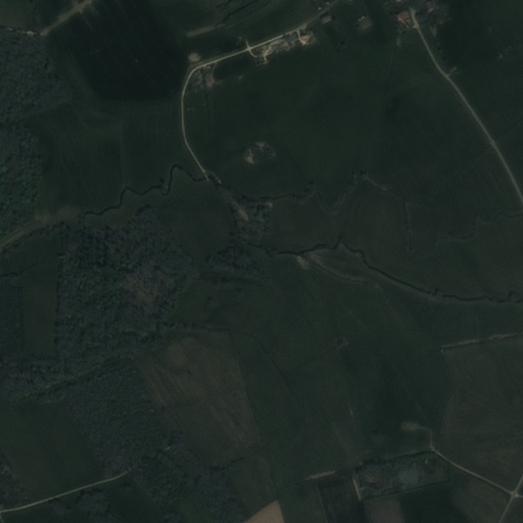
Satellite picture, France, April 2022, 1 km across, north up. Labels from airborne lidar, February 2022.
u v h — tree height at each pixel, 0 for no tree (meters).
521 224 0
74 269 19
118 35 0
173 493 10
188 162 0
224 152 0
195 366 0
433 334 0
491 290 0
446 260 0
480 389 0
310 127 0
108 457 16
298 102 0
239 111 0
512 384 0
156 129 0
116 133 0
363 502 0
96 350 9
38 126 0
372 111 0
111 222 0
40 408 0
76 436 0
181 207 0
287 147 0
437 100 0
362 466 0
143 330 28
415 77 0
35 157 19
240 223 19
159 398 0
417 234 0
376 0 0
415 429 0
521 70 0
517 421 0
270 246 0
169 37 0
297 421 0
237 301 0
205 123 0
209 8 0
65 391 11
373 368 0
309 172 0
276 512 0
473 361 0
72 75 0
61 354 16
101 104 0
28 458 0
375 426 0
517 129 0
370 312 0
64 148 0
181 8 0
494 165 0
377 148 0
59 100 19
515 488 0
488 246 0
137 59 0
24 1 0
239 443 0
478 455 0
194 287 0
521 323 0
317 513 0
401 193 0
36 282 0
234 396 0
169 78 0
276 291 0
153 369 0
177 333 0
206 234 0
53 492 0
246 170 0
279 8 0
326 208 0
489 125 0
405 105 0
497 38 0
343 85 0
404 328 0
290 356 0
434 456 8
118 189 0
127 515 0
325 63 0
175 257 22
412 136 0
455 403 0
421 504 0
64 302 21
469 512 0
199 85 0
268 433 0
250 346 0
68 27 0
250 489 0
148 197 0
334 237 0
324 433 0
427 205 0
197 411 0
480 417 0
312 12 0
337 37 0
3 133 30
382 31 0
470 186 0
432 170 0
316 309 0
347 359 0
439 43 0
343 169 0
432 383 0
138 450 12
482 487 0
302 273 0
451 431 0
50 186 0
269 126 0
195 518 0
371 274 0
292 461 0
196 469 22
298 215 0
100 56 0
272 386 0
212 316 0
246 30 0
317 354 0
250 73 0
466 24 0
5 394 15
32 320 0
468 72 0
